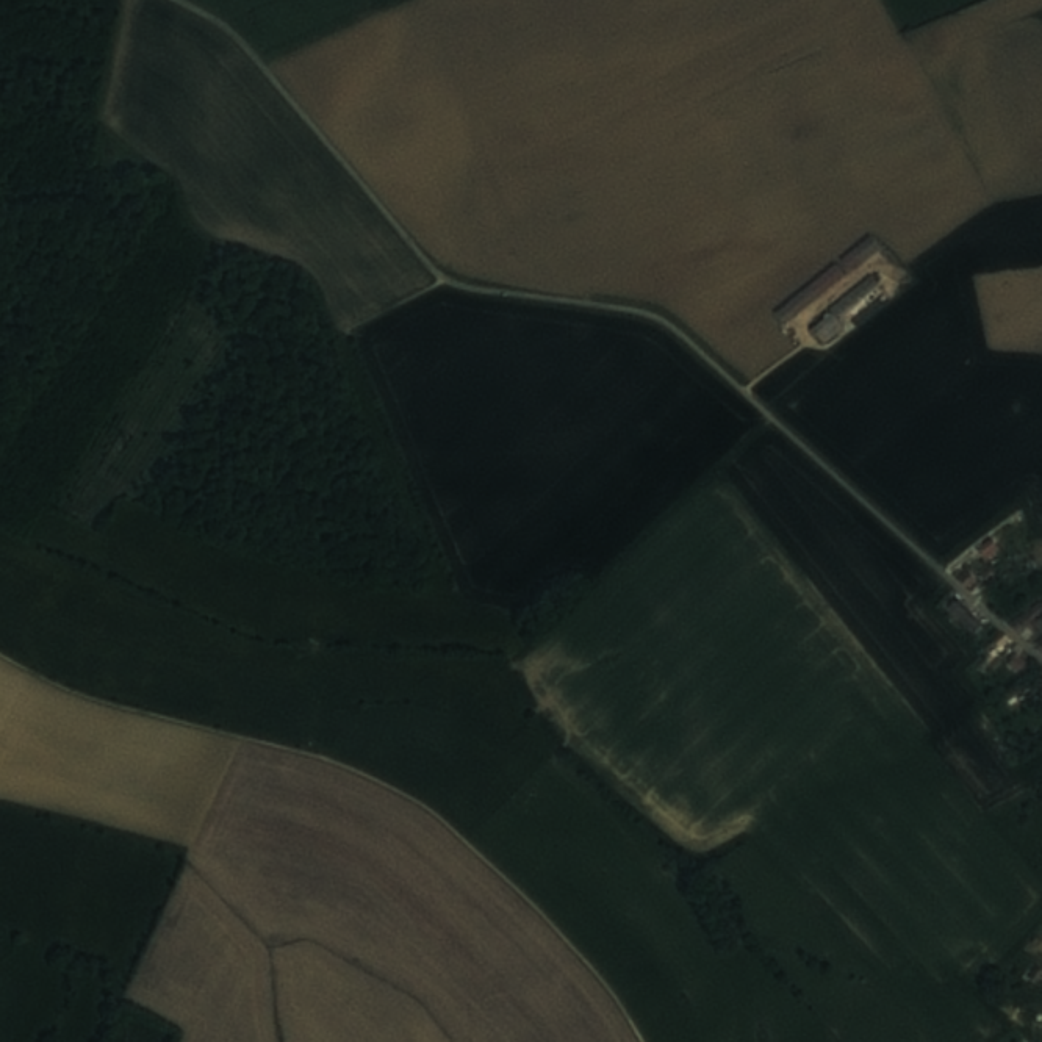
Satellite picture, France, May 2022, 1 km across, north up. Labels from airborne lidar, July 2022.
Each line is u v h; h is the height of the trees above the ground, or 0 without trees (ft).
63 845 0
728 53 0
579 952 0
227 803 0
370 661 0
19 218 68
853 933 0
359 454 81
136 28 0
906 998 0
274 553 65
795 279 0
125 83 0
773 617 0
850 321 0
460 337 0
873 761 0
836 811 0
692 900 80
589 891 0
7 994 0
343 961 0
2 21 36
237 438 79
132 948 0
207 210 0
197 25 0
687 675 0
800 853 0
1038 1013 0
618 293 0
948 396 0
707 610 0
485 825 0
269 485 63
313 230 0
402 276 0
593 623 0
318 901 0
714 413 0
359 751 0
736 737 0
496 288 0
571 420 0
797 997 41
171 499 64
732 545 0
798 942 0
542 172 0
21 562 0
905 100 0
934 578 0
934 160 0
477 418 0
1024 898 0
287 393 56
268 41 0
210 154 0
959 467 0
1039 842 0
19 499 30
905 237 0
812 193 0
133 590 39
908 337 0
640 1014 0
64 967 34
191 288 27
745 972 0
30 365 74
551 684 0
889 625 0
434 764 0
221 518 65
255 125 0
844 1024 0
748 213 0
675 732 0
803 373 0
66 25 35
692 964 0
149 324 25
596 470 0
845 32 0
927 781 0
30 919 0
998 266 0
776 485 0
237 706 0
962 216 0
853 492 0
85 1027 0
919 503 0
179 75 0
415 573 65
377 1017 0
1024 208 0
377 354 0
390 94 0
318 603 0
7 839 0
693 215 0
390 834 0
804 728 0
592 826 0
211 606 0
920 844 0
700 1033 0
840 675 0
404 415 0
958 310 0
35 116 40
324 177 0
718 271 0
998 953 0
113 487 0
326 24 0
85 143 64
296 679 0
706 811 0
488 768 0
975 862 0
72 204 91
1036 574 28
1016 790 0
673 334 0
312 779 0
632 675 0
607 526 0
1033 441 0
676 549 0
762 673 0
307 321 61
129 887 0
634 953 0
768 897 0
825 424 0
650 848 0
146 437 21
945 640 0
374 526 78
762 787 0
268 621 0
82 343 32
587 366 0
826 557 0
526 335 0
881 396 0
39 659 0
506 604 0
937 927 0
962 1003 0
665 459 0
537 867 0
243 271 67
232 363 45
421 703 0
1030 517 0
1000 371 0
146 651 0
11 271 58
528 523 0
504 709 0
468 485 0
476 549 0
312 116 0
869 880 0
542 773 0
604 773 0
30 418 38
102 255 76
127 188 68
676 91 0
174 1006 0
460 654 48
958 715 0
